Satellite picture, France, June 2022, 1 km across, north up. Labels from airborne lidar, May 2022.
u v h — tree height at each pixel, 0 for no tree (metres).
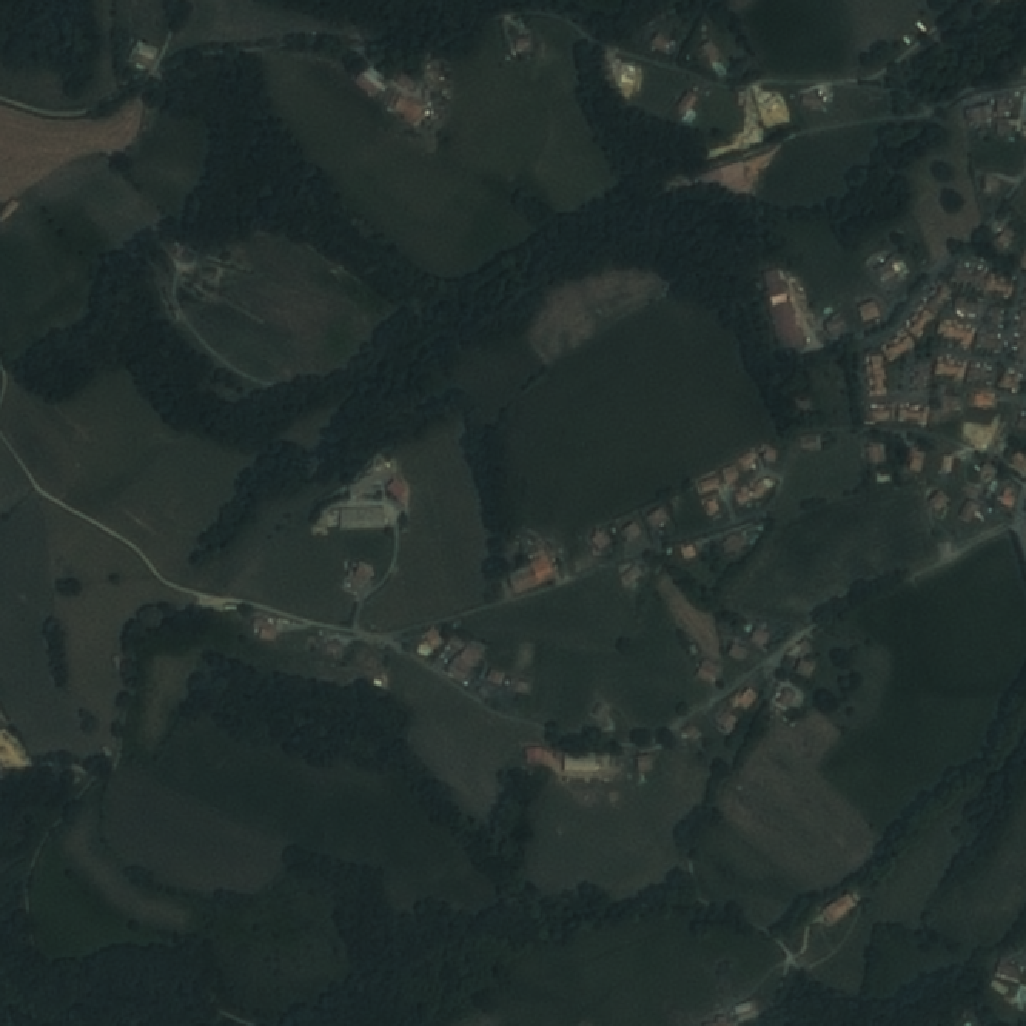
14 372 13
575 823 0
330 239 26
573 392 0
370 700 22
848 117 0
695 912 11
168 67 9
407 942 21
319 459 20
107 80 0
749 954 0
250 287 0
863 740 0
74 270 0
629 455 0
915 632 0
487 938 30
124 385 0
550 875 0
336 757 22
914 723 0
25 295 0
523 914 20
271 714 22
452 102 0
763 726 10
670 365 0
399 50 19
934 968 0
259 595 0
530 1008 0
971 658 0
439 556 0
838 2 0
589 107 16
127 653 10
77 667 0
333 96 0
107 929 0
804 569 0
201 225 22
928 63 14
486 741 0
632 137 23
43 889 0
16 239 0
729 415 0
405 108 0
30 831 12
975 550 0
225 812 0
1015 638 0
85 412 0
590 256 20
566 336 0
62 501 0
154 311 7
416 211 0
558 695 0
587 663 0
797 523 0
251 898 9
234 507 12
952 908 0
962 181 0
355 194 0
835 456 0
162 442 0
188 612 13
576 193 0
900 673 0
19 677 0
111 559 0
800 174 0
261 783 0
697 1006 0
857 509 0
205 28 0
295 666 0
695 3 11
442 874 0
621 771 0
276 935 6
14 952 14
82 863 0
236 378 14
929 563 0
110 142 0
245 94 21
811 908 19
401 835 0
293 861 12
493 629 0
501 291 13
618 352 0
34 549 0
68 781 17
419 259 0
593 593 0
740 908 12
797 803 0
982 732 0
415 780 13
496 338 11
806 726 0
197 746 0
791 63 0
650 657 0
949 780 14
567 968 0
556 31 0
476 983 27
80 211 0
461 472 0
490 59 0
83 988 20
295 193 27
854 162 0
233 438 19
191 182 0
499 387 0
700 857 10
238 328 0
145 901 0
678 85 0
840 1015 20
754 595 0
